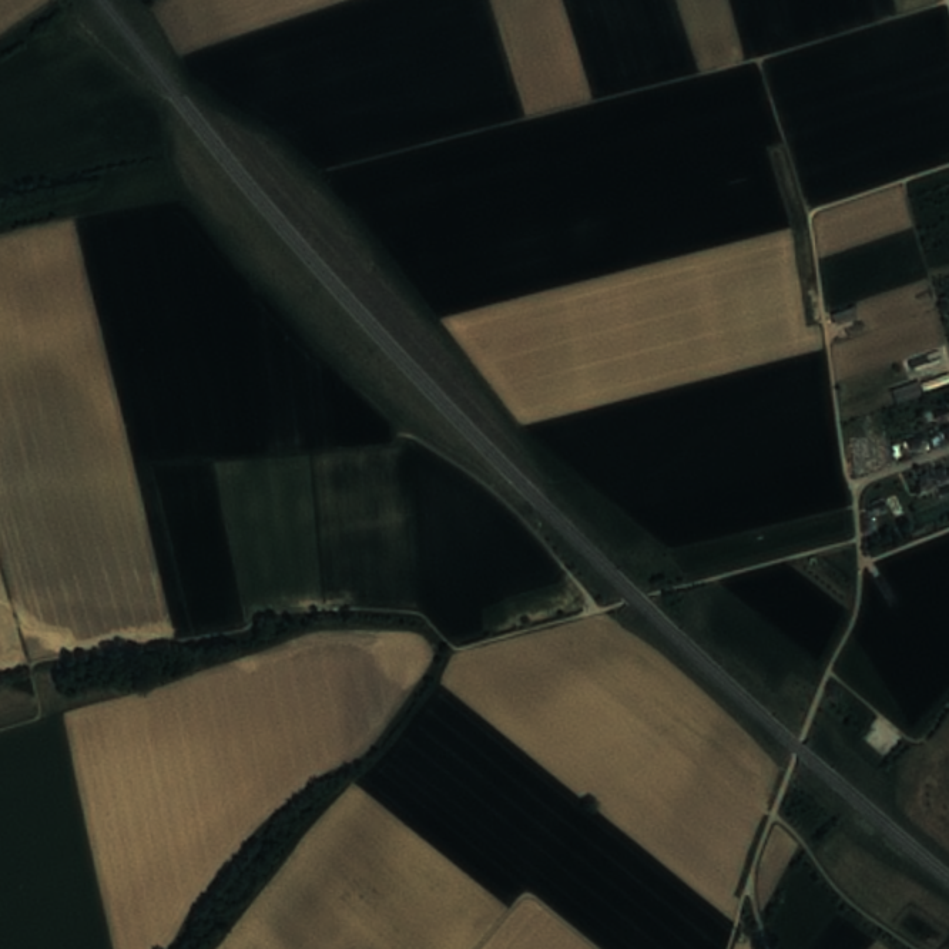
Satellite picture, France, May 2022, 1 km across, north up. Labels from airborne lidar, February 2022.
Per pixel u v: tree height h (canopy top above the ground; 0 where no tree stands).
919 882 0
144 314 0
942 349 0
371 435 0
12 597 0
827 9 0
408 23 0
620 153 0
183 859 0
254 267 0
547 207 0
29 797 0
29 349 0
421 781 0
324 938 0
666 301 0
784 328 0
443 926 0
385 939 0
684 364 0
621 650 0
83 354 0
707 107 0
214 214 0
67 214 0
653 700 0
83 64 0
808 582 0
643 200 0
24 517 0
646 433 0
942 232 0
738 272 0
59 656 0
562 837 0
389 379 0
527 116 0
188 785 0
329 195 0
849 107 0
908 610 0
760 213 0
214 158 0
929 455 0
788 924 0
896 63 0
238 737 0
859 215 0
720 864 0
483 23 0
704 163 0
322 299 0
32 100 0
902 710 0
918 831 0
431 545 0
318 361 0
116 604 0
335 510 0
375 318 0
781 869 0
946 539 0
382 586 0
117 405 0
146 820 0
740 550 0
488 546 0
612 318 0
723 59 0
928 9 0
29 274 0
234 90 0
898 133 0
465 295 0
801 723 0
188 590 0
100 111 0
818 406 0
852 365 0
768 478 0
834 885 0
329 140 0
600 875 0
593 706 0
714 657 0
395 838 0
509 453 0
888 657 0
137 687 27
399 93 0
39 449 0
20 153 0
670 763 0
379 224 0
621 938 0
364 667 0
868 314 0
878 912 0
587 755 0
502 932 0
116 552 0
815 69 0
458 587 0
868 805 0
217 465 0
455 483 0
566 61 0
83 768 0
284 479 0
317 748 0
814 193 0
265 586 0
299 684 0
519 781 0
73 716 0
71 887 0
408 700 0
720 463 0
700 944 0
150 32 0
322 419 0
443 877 0
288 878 0
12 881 0
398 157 0
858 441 0
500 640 0
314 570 0
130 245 0
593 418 0
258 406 0
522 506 0
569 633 0
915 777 0
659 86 0
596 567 0
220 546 0
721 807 0
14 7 0
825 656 0
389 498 0
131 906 0
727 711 0
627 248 0
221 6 0
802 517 0
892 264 0
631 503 0
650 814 0
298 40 0
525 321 0
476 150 0
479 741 0
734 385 0
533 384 0
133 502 0
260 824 0
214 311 0
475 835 0
